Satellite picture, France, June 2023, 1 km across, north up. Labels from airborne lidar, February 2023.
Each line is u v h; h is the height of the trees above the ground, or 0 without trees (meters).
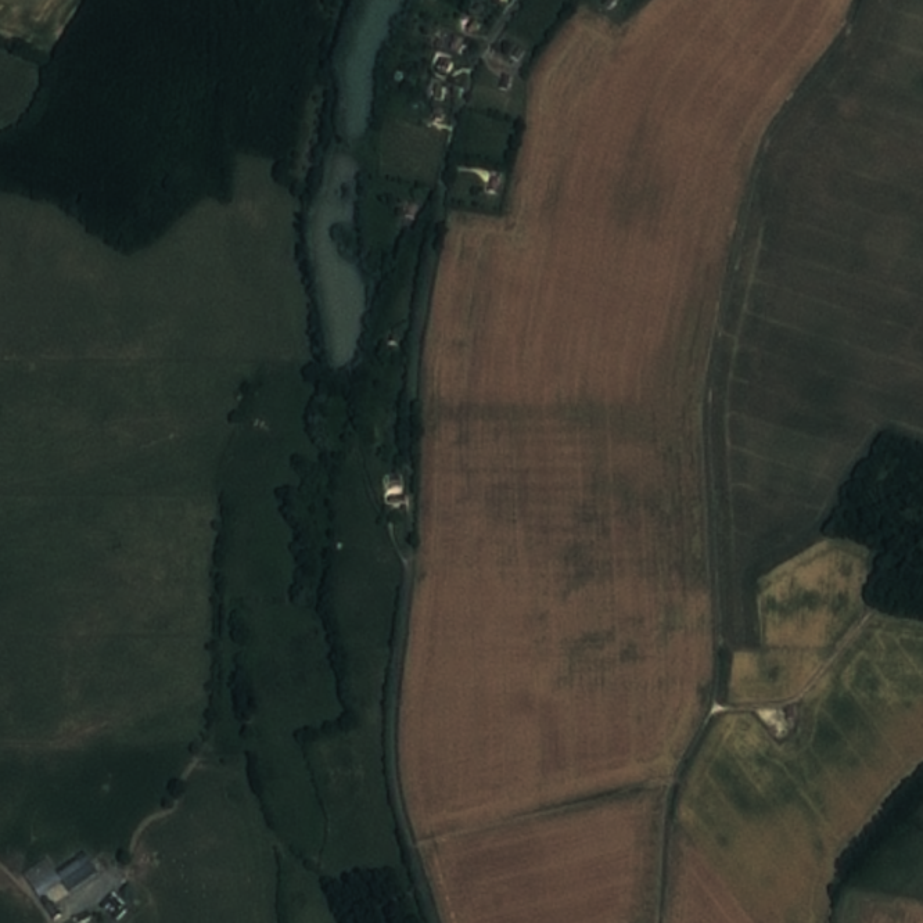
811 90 0
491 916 0
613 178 0
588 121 0
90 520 0
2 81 0
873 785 0
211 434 0
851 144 0
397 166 0
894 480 23
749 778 0
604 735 0
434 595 0
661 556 0
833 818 0
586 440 0
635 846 0
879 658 0
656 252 0
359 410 17
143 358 0
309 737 18
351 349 0
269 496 0
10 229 0
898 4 0
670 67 0
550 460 0
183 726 0
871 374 0
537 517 0
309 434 13
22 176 17
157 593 0
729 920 0
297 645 0
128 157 13
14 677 0
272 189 0
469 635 0
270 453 0
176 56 10
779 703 0
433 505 0
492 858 0
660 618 0
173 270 0
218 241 0
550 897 0
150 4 16
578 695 0
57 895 0
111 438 0
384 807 0
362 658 0
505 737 0
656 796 0
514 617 0
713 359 0
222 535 7
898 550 23
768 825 0
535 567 0
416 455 12
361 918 34
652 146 0
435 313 0
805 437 0
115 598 0
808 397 0
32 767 0
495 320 0
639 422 0
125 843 0
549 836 0
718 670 0
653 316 0
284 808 0
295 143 11
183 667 0
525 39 0
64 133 11
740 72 0
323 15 14
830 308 0
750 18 0
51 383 0
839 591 0
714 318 0
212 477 0
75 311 0
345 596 0
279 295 0
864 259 0
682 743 0
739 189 0
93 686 0
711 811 0
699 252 0
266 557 0
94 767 0
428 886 0
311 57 18
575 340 0
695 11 0
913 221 0
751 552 0
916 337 0
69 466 0
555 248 0
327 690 0
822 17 0
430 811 0
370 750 0
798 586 0
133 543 0
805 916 0
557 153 0
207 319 0
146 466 0
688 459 0
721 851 0
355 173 0
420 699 0
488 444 0
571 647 0
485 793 0
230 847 0
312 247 14
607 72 0
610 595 0
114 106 10
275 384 0
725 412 0
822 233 0
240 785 0
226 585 12
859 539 12
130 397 0
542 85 0
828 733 0
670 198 0
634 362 0
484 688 0
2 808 0
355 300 0
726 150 0
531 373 0
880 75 0
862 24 0
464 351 0
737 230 0
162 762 0
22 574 0
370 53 0
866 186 0
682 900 0
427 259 12
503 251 0
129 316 0
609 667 0
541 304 0
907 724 0
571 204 0
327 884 16
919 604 22
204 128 7
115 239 15
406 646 0
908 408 0
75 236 0
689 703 0
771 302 0
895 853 0
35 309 0
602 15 0
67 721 0
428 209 11
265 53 13
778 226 0
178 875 0
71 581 0
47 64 13
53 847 0
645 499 0
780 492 0
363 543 0
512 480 0
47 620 0
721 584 0
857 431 0
